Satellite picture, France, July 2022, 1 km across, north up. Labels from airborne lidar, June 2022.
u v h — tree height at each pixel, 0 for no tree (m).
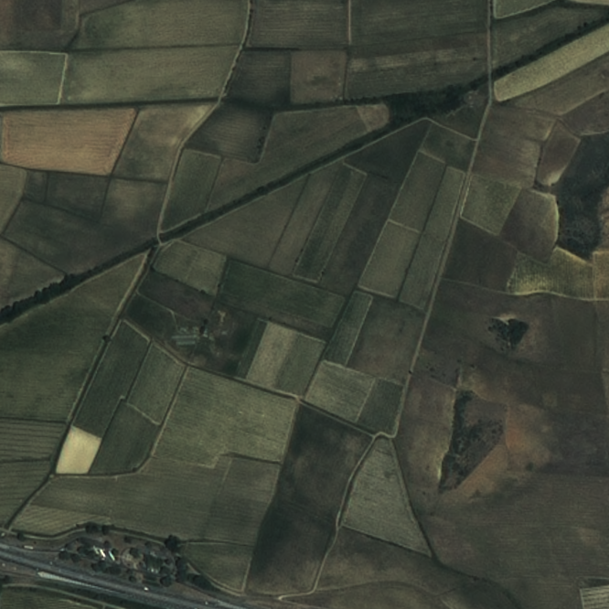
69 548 11
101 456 0
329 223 0
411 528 0
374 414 0
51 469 0
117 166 0
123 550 0
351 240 0
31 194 0
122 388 0
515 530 0
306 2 0
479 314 0
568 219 0
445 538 0
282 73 0
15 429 0
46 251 0
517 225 0
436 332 0
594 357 0
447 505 0
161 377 0
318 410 0
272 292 0
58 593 0
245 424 0
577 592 0
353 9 0
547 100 0
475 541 0
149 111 0
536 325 0
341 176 0
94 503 0
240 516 0
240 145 0
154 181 0
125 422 0
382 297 0
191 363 0
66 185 0
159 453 0
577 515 0
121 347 0
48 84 0
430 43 0
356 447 0
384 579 0
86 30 0
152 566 8
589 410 0
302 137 0
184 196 0
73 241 0
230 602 0
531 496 0
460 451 0
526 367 0
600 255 0
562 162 0
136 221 0
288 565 0
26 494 0
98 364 0
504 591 0
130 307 0
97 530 18
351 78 0
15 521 0
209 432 0
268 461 0
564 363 0
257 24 0
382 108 0
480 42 0
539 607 0
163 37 0
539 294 0
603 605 0
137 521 0
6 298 0
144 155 0
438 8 0
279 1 0
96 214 0
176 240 0
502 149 0
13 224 0
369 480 0
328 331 0
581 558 0
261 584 0
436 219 0
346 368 0
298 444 0
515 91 0
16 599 0
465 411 0
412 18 0
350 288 0
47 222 0
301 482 0
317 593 0
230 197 0
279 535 0
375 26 0
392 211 0
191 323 0
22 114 0
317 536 0
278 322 0
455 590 0
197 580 15
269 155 0
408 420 0
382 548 0
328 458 0
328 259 0
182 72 0
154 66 0
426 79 0
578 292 0
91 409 0
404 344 0
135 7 0
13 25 0
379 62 0
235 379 0
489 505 0
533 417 0
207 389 0
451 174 0
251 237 0
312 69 0
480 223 0
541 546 0
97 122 0
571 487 0
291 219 0
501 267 0
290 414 0
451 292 0
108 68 0
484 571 0
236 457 0
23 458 0
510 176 0
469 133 0
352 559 0
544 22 0
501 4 0
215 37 0
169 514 0
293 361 0
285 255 0
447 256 0
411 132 0
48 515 0
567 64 0
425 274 0
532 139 0
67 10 0
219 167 0
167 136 0
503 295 0
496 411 0
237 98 0
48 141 0
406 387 0
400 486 0
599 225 0
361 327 0
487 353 0
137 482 0
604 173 0
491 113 0
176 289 0
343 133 0
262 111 0
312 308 0
